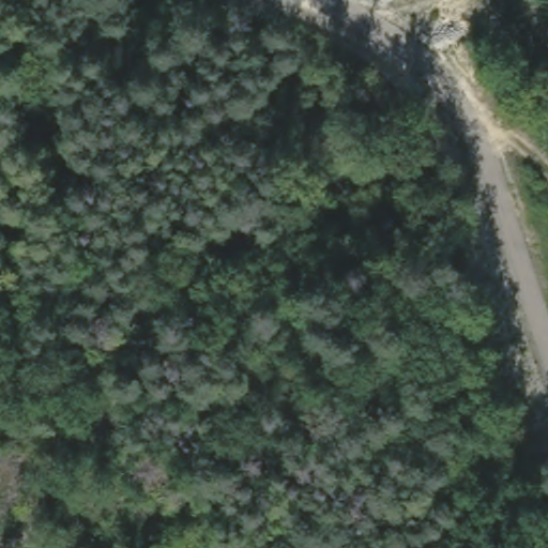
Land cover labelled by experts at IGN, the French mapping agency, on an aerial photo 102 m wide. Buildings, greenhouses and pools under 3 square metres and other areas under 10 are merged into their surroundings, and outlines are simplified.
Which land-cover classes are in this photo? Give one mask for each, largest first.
<instances>
[{"label":"coniferous trees","instance_id":"1","mask_svg":"<svg viewBox=\"0 0 548 548\"><path fill-rule=\"evenodd\" d=\"M302 32L283 34L278 30V21L272 19L268 13L248 9L233 0H0V289H6L11 293L13 304L17 306L19 336L26 349L24 353H17V362L13 366L19 370L24 366H58V362L62 360H66L69 364H81L83 370L71 375L77 387L83 383L90 396L103 392L109 398V405H124L122 413L131 417V443H126L118 452L116 460L120 465H126L131 454L139 458L131 467V471L137 480L143 482V490L148 492V497L154 499L156 507H163V516L176 514L184 503L191 507L193 516L210 512L208 524L188 529L169 527L167 531H163L161 544L152 548H450V529L456 524L465 507L456 505L447 512V507H443L439 512L430 503L439 488L447 486L443 473L447 471V465L443 458L452 456V443L456 435L432 439L426 445L420 439L400 443L396 437L402 430V424L392 422L396 415L405 411L400 402L398 379L390 377L385 383L377 385L370 392L368 398L351 396L340 385L323 377V362L343 366L353 360L355 366H370L377 362V355L370 351L375 343L392 347L398 343L396 334L413 332L415 328H422V334L428 338L441 340L435 332L432 321L428 317H422L420 310H415V302L411 300L424 293L426 287H441L450 283L452 291L447 298L458 300L460 308L469 317H482L488 313L492 319L497 295L490 289L482 287L480 280H473L475 257L469 248V238L477 235L482 229V212H477L471 203L469 184L460 180L458 156L445 146L443 128L439 124L441 118H437L435 113L420 116L398 98L383 96L381 88L377 86V69L366 71L360 62H343L340 66H332L323 58L306 56L302 47ZM458 343L465 349L469 362L480 368V377L486 381L492 402H503L514 413L518 424L514 432L507 437V447L512 450V456H480L469 467L477 475L482 488H492L497 492L516 482L542 484L546 494L542 497L544 509L537 516H548V450L522 439L524 428L520 420L527 413V407H516L514 394L499 383V340L494 338V334H488L480 340H471L467 334H460Z\"/></svg>","mask_w":548,"mask_h":548},{"label":"deciduous trees","instance_id":"2","mask_svg":"<svg viewBox=\"0 0 548 548\"><path fill-rule=\"evenodd\" d=\"M477 83L494 98V105L490 107L492 118L501 122V128H514L529 137L539 148L548 146V62L524 49L522 45L509 43L492 45L490 41H480L469 49ZM452 291L450 283L441 287H426L424 293L411 300L415 302V310H420L422 317H428L432 321L435 332L441 340L428 338L422 334V328H415L413 332L396 334L398 343L392 347L375 343L370 351L377 355V362L370 366H355L353 360L343 366L323 362V377L340 385L351 396L368 398L370 392L377 385L385 383L390 377L398 379L400 402L405 411L396 415L392 422L402 424V430L396 437L400 443L420 439L426 445L432 439L456 435L452 443V456L443 458L447 465V471L443 473L447 486L439 488L430 503L439 512L443 507H447V512L456 505L465 507L456 524L450 529V548H548V516H537L544 509L542 497L546 494L542 484L516 482L497 492L492 488H482L477 475L469 467L480 456H512V450L507 447V437L514 432L518 424L514 413L503 402H492L486 381L480 377V368L469 362L465 349L458 343L460 334H467L471 340H480L488 334L492 319L488 313L482 317H469L460 308L458 300L447 298ZM26 349L19 336L17 306L13 304L11 293L6 289H0V548H152L161 544L163 531H167L169 527L188 529L208 524L210 512L193 516L191 507L184 503L176 514L163 516V507H156L154 499L148 497V492L143 490V482L137 480L131 471V467L139 458L131 454L126 465H120L116 460L118 452L126 443H131V417L122 413L124 405H109V398L103 392L90 396L83 383L77 387L71 375L83 370L81 364H69L66 360H62L58 362V366H24L19 370L13 366L17 362V353H24Z\"/></svg>","mask_w":548,"mask_h":548},{"label":"pervious surface","instance_id":"3","mask_svg":"<svg viewBox=\"0 0 548 548\"><path fill-rule=\"evenodd\" d=\"M248 9L268 13L272 19L278 21V30L283 34L302 32V47L306 56L323 58L332 66H340L343 62H360L366 71L377 69V86L381 88L383 96L398 98L420 116L435 113L437 118H441L439 124L443 128L445 146L458 156L460 180L469 184L471 203L477 212H482V229L477 235L469 238V248L475 257L473 280H480L482 287L490 289L497 295L492 319L488 334H494V338L499 340V383L514 394L516 407H527L537 394H527L524 366L516 364V360L503 353L507 347H514L522 340V330L514 323L518 308V285L512 276H507V263L501 259V240L497 235V225L492 216L494 186L482 184L477 180L480 139L497 154L505 152H509V148L516 141L524 143V139L529 137L514 128H501V122L492 118L490 107L494 105V98L477 83L469 49L462 45L460 36L469 32V15L475 9H482V0H233Z\"/></svg>","mask_w":548,"mask_h":548},{"label":"impervious surface","instance_id":"4","mask_svg":"<svg viewBox=\"0 0 548 548\"><path fill-rule=\"evenodd\" d=\"M477 180L482 184L494 186L492 216L497 225V235L501 240V259L507 263V276H512L518 285V308L514 323L522 330V340L514 347H507L503 353L516 360V364L524 366L527 394H537L527 407V413L520 420L524 428L522 439L548 450V287L544 293L539 291L537 274L522 242L520 223L527 218V212L522 214L514 208V199L507 191V184L516 178L514 167L509 165L505 152L497 154L480 139Z\"/></svg>","mask_w":548,"mask_h":548},{"label":"herbaceous vegetation","instance_id":"5","mask_svg":"<svg viewBox=\"0 0 548 548\"><path fill-rule=\"evenodd\" d=\"M462 45L469 49L480 41H490L492 45L509 43L522 45L524 49L548 62V0H482V9H475L469 15V32L460 36ZM509 165L514 167L518 156L535 158L537 163H542L548 180V146L539 148L529 137L524 139V143L516 141L509 148V152H505ZM507 191L514 199V208L522 214L527 212V203L522 201V193L516 178L507 184ZM522 242L537 274L539 291L544 293L548 287V280L544 274L539 244L535 242L537 233L529 227L527 218L520 223Z\"/></svg>","mask_w":548,"mask_h":548},{"label":"brushwood","instance_id":"6","mask_svg":"<svg viewBox=\"0 0 548 548\"><path fill-rule=\"evenodd\" d=\"M516 178L522 193V201L527 203V218L529 227L537 233L535 242L539 244L544 274L548 280V180L542 163H537L535 158L518 156L514 167Z\"/></svg>","mask_w":548,"mask_h":548}]
</instances>
